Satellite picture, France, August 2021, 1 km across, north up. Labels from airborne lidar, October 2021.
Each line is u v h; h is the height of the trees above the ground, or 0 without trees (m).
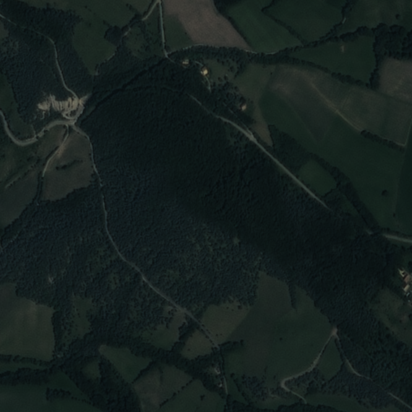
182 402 0
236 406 20
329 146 0
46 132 13
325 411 22
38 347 0
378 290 8
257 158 10
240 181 7
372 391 13
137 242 9
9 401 0
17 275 9
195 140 25
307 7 0
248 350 0
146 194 16
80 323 0
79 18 11
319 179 0
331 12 0
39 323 0
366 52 0
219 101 14
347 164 0
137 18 16
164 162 12
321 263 22
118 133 12
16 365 0
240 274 7
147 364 0
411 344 0
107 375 19
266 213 24
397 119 0
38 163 6
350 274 32
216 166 28
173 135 28
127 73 16
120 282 11
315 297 16
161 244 10
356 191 13
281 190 20
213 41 0
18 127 0
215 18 0
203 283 12
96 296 7
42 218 18
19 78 11
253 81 0
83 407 0
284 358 0
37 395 0
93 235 7
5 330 0
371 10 0
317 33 0
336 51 0
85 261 12
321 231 33
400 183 0
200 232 12
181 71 14
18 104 10
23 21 22
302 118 0
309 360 0
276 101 0
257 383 6
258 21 0
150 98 25
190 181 27
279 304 0
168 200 12
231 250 7
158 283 7
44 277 10
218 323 0
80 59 11
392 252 29
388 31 16
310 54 0
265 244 19
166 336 0
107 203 10
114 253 10
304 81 0
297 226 23
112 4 0
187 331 15
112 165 11
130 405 17
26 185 0
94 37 0
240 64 9
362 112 0
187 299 12
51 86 10
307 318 0
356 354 18
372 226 18
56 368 20
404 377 27
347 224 19
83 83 11
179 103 27
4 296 0
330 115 0
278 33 0
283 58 16
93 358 16
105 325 16
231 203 17
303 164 10
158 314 9
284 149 21
